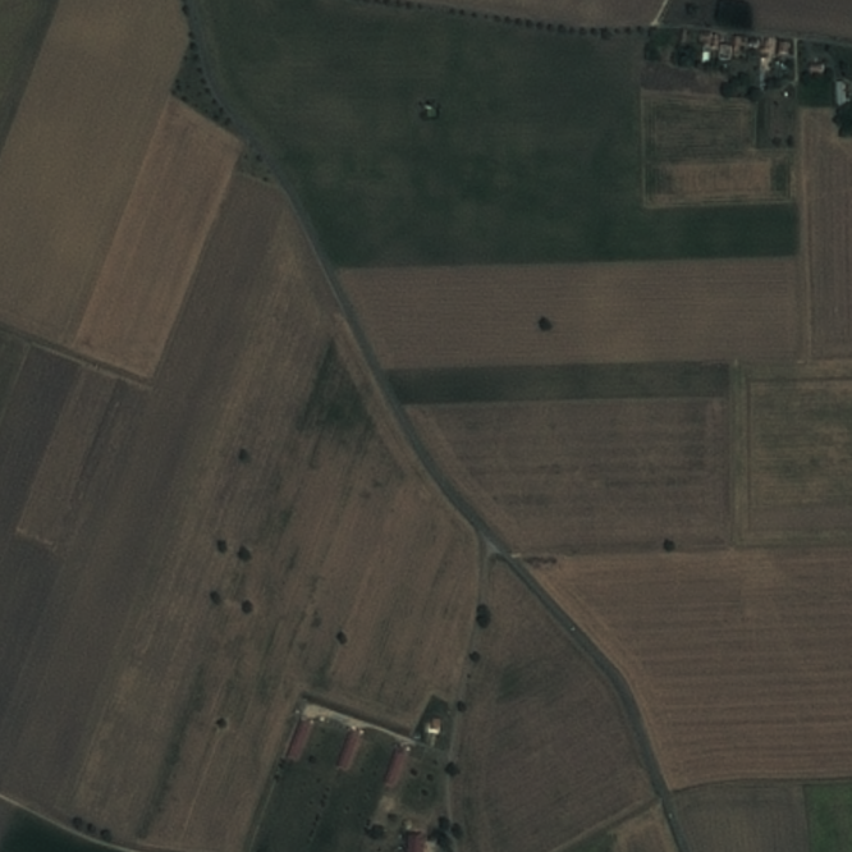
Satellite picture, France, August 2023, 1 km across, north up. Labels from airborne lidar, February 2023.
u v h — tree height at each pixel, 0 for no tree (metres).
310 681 0
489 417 0
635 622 0
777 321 0
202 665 0
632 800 0
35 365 0
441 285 0
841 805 0
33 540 0
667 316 0
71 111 0
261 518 0
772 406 0
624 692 0
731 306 0
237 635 0
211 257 0
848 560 0
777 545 0
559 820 0
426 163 0
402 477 0
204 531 0
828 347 0
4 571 0
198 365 0
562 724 0
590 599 0
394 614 0
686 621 0
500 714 0
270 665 0
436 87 0
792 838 0
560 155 0
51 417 0
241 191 0
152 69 0
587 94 0
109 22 0
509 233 0
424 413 0
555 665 0
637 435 0
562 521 0
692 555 0
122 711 0
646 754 0
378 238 0
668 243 0
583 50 0
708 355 0
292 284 0
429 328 0
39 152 0
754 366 0
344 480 0
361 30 0
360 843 0
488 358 0
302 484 0
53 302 0
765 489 0
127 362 0
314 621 0
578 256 0
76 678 0
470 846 0
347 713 0
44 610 0
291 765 0
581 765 0
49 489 0
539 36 0
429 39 0
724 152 0
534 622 0
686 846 0
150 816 0
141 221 0
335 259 0
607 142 0
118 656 0
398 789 0
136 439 0
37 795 0
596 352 0
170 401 0
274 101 0
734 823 0
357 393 0
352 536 0
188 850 0
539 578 0
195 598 0
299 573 0
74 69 0
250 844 0
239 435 0
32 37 0
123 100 0
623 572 0
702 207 0
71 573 0
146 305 0
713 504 0
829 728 0
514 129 0
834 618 0
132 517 0
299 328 0
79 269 0
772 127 0
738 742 0
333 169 0
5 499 0
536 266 0
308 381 0
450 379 0
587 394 0
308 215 0
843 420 0
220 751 0
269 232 0
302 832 0
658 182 0
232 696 0
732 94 14
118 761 0
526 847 0
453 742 0
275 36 0
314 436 0
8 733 0
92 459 0
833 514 0
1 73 0
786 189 0
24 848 0
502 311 0
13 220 0
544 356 0
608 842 0
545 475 0
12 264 0
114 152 0
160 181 0
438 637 0
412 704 0
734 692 0
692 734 0
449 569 0
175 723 0
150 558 0
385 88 0
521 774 0
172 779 0
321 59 0
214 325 0
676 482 0
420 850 0
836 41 0
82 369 0
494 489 0
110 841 7
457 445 0
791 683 0
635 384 0
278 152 0
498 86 0
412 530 0
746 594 0
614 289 0
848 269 0
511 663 0
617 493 0
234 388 0
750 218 0
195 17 0
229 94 0
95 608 0
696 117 0
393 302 0
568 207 0
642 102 0
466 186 0
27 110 0
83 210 0
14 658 0
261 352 0
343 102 0
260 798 0
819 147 0
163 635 0
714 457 0
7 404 0
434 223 0
